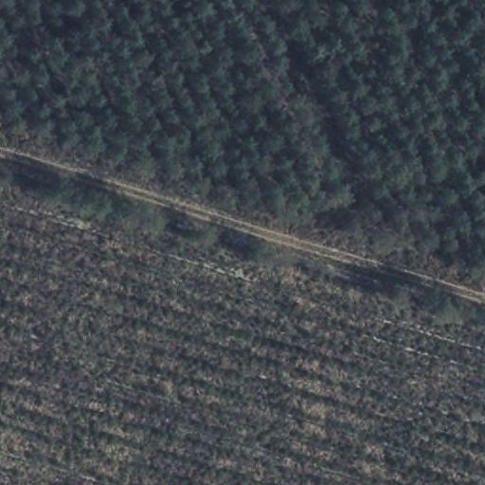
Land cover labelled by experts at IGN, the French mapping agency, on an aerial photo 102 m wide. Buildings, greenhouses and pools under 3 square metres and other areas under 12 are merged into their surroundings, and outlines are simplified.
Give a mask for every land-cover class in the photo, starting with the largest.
<instances>
[{"label":"clear cut","instance_id":"1","mask_svg":"<svg viewBox=\"0 0 485 485\"><path fill-rule=\"evenodd\" d=\"M59 176L57 169L47 167L34 159L0 155V485H485V305L458 297L457 301L447 299L445 303V311L455 307L457 313H460V320L457 322L438 324L434 320L436 314L428 313L422 307L421 309L413 301H409L407 309H392L394 296H385L381 292H369L360 286H352L343 278L333 277L328 271H322L320 267H309V271L305 273L297 269L280 267V273H269L267 269L258 267V261H267L273 256L271 248L275 244L246 233H239L227 227L222 220H195L189 218L186 212L176 210L174 205L165 207L167 231H163L161 235H146L144 231L129 233L123 229L121 222L110 220L91 203L83 205L55 193ZM212 225L218 231V242L210 248H203L197 237H205V233Z\"/></svg>","mask_w":485,"mask_h":485},{"label":"coniferous trees","instance_id":"2","mask_svg":"<svg viewBox=\"0 0 485 485\"><path fill-rule=\"evenodd\" d=\"M30 11L36 36L34 49L30 55L32 64L28 68L19 63L17 44L13 42L8 27H0V112L8 117L13 127L19 125L25 129L27 123L23 117V106L15 93L17 85L21 81L32 80L47 85L49 78L59 72V76L68 83V87L57 99L42 106L38 116L40 135L57 136L64 140V146L70 152H89L93 157L102 150L106 157L121 161L129 153L144 169H155L150 153L152 142L153 146L165 152V176L169 180H186L182 163L176 157V153L186 152L189 148V135L199 131L205 152L195 157L191 172L195 174L203 171V165L210 159L218 176L239 169L241 182L244 184L242 197L248 203L258 205L261 203L260 186L250 174V169L258 167L261 174L269 172V161L261 157L258 144L254 140H248V144H244L239 150H222L225 138L231 135V129L225 117L220 114L216 102L210 97L207 76H201L197 85L205 104L203 114L199 116L186 89L184 76L178 70L180 66L197 68L199 59L210 53V45H195L201 38V30L195 27L197 21H208L216 28L214 34L218 40H224L225 28L235 25L244 42V61L256 70L248 78H244L241 72L237 76L244 85L246 97L250 99L248 110L256 119V129H265V117L260 110L261 106L275 108L282 129L271 140V150L278 152L286 140H290L292 135H297L299 127L297 123H292V116L297 110H303L307 117V129L318 142V148L314 150L309 148V144H301L297 148V152L305 157V174L311 189L303 193L299 188L296 174L288 176L282 182H278L277 188L273 189L271 207L280 208L286 214H313L316 218V214L324 210L343 207L350 203L352 191L349 184L341 178V165L328 148V140L320 129V119L314 116L313 104L297 93L290 81L286 44L278 36L275 23L261 13L254 0H167L161 13L171 23L172 32L176 34L178 42L169 47L165 40L157 42L165 59V68L161 74H155L152 70V53H148L140 32V28L146 25V30L153 32L152 9L148 0H144L142 11L136 19L131 17L129 9L123 4L119 8L121 19L112 25L100 0H57L53 4V23L57 27L63 25V15H74L85 28L72 32V36L68 34L61 40H55L42 23V11L38 0H34L30 4ZM260 27L263 28L269 45L275 49L277 72L284 74L282 83L278 85H271L265 80L267 68L263 64L260 47L252 36V32ZM99 70L106 72L112 87L123 97V102L127 106L125 110L129 114L131 127L125 133L117 127L116 116L112 114L100 91L97 80ZM142 76L148 78L152 91L159 95L165 114L176 127L178 135L169 136L161 129L150 100L135 99V91L140 87ZM68 102L97 104L104 114V121L97 125L89 114H81L72 119L66 110ZM316 163H324L330 167V184L335 191L333 195H326L320 188ZM432 6L428 0H405L402 9L407 15V21L400 25L394 11L386 9L385 25H369V38L366 44L360 40L356 23L352 21L347 6L341 2L337 6V25L349 32L352 51L345 49L339 40H335V44L326 45L316 42L305 21H299L294 28L297 40L303 42L316 61L324 59V55L339 53L347 66L349 80L354 85L356 102L349 106L347 93L337 85L335 66H328L324 70V78L339 114L347 121V136L352 138L354 150L362 155L366 172L375 182V195L366 203V212L373 220L381 218L386 229H379L375 233L377 242H373V250L385 256L390 250L404 252L409 244L417 241L421 242L426 250L434 252L440 244L434 224L440 220L441 210L438 207L426 208L432 201L430 191L415 195L413 188L415 184H426L417 146L415 142L407 144L409 161H402L396 153L398 148L404 146L402 140L407 138V127L413 125L430 150L436 182H441L449 174L458 172V178L464 182L468 199L476 205L481 224L479 235H485V174L472 176L466 163L476 161L481 153L485 152V116L481 117L479 133L472 138L468 133V119H462L458 123V133L462 135L464 146L458 150L455 159H445V152L451 146V138L447 135L440 106L432 99L428 87H424L419 95L413 97L405 83L411 78L417 81L421 78L417 64L411 57L407 32L415 27H422L430 34L438 28L434 19L430 17ZM464 9H468L472 17L468 21V27L457 40L458 44L464 47V55L472 64V70L476 72L485 93V0H468L464 4ZM233 64V53L231 49H225L218 59V66L214 68V72L218 80V89L224 95L225 106L229 112H233L237 106L233 100V85L227 80L225 70ZM426 66L436 74V85L441 91L447 87L449 78L458 72V64L453 53L449 49H443L441 55H428L424 59ZM462 89H464V93H466V99H468V104H470V110H472V112H476V110H479V108H481V106L477 104L476 95H474V89H472V85L468 83V81H464V83H462ZM445 199L451 205L453 216L457 218L455 222L460 225L464 235H468V214L458 203L457 193L449 191ZM341 231L349 239H360L364 235V225L352 222ZM468 265H472L476 273L485 275V254L483 246L476 244L472 248V260L468 261Z\"/></svg>","mask_w":485,"mask_h":485},{"label":"brushwood","instance_id":"3","mask_svg":"<svg viewBox=\"0 0 485 485\"><path fill-rule=\"evenodd\" d=\"M34 0H0V27H8L13 42L17 44L19 63L28 68L32 64L30 55L34 49L36 36L30 11V4ZM42 11V23L55 40H61L68 34L72 36V32L85 28L74 15H63V25L57 27L53 23V4L57 0H38ZM112 25L121 19L119 8L123 4L129 9L131 17L136 19L142 11L144 0H100ZM152 9L153 32L146 30V25L140 28V32L148 53H152V70L155 74H161L165 68V59L157 42L165 40L169 47L178 42L176 34L172 32L171 23L161 13L167 0H148ZM261 13L275 23L278 36L286 44L290 81L297 93L313 104L314 116L320 119V129L328 140V148L341 165V178L349 184L352 191L350 203L343 207L324 210L316 214V218L313 214H286L280 208L271 207L273 189L277 188L278 182H282L288 176L296 174L299 188L303 193L311 189L305 174V157L297 152V148L301 144H309V148L314 150L318 148V142L307 129V117L303 110H297L292 116V123H297L299 127L297 135H292L290 140H286L278 152L271 150V140L282 129L275 108L261 106L260 110L265 117V129H256V119L248 110L250 99L246 97L244 85L237 76L241 72L244 78H248L256 70L244 61V42L235 25L225 28L224 40H218L214 34L216 28L208 21H197L195 27L201 30V38L195 45H210V53L199 59L197 68L180 66L178 70L184 76L186 89L199 116L203 114L205 104L197 85L201 76H207L210 97L216 102L220 114L225 117L231 129V135L225 138L222 150H239L244 144H248V140H254L258 144L261 157L269 161V172L261 174L258 167L250 169V174L260 186L261 203L258 205L248 203L242 197L244 184L241 182L239 169L218 176L210 159L203 165V171L195 174L191 172L195 157L205 152L199 131L189 135V148L186 152L176 153V157L182 163L186 180H169L165 176V152L153 146L152 142L150 153L155 169H144L129 153L121 161L106 157L102 150L93 157L89 152H70L64 146V140L57 136L40 135L38 116L42 106L57 99L68 87V83L59 76V72L49 78L47 85L32 80L21 81L17 85L15 93L23 106V117L27 123L25 129L19 125L13 127L8 117L0 112V148L9 146L28 150L30 146H36L38 152L47 148L51 157L63 163L81 167L83 161H89L91 165L83 174L102 178V182L110 176H116L119 180L131 182L140 188L176 195L180 199L216 208L220 212H227L231 216L254 224L265 225L269 229L292 233L301 239L322 242L354 254L366 252V256L375 258L381 265L392 263L404 273L421 278L424 286H432L434 282L436 277L447 278L449 282H460L464 286L485 292V275L476 273L472 265H468V261L472 260V248L476 244L483 246L485 254V235H479L481 224L476 205L468 199L464 182L458 178V172L449 174L441 182H436L430 150L413 125L407 127V138L402 140L404 146L398 148L396 153L402 161H409L407 144L415 142L417 146L426 184H415L413 188L415 195L430 191L432 201L426 208L438 207L441 210L440 220L434 224L440 244L434 252L426 250L421 242L417 241L409 244L404 252L390 250L385 256L373 250V242H377L375 233L379 229H386L381 218L373 220L366 212V203L375 195V182L366 172L362 155L354 150L352 138L347 136V121L339 114L324 78V70L328 66H335L337 85L347 93L349 106L356 102L354 85L349 80L347 66L339 53L324 55V59L316 61L303 42L297 40L294 28L299 21H305L316 42L326 45L335 44V40H339L345 49L352 51L349 32L337 25V6L341 2L347 6L352 21L356 23L360 40L366 44L369 38V25H385L386 9L394 11L400 25L407 21V15L402 9L405 0H254ZM225 49H231L233 53V64L225 70L227 80L233 85V100L237 106L233 112H229L225 106L224 95L218 89V80L214 72V68L218 66V59ZM449 191L457 193L458 203L468 214V235H464L460 225L455 222L457 218L453 216L451 205L445 199ZM352 222L364 225V235L360 239H349L341 231ZM432 6L430 17L434 19L438 28L430 34L422 27H415L407 32L411 57L417 64L421 78L417 81L411 78L405 83L413 97L419 95L424 87H428L432 99L440 106L447 135L451 138V146L445 152V159H455L458 150L464 146L462 135L458 133V123L462 119H468V133L472 138L479 133L481 117L485 116V93L476 72L472 70V64L464 55V47L458 44L457 40L468 27V21L472 17L468 9H464V4L468 0H428ZM443 49H449L453 53L458 64V72L449 78L447 87L441 91L436 85V74L426 66L424 59L428 55H441ZM464 81H468V83L472 85V89H474V95H476L477 104L481 106V108H479V110H476V112H472V110H470V104H468V99H466V93H464V89H462V83H464ZM252 36L260 47L263 64L267 68L265 80L271 85H278L282 83L284 74L277 72L275 49L269 45L263 28L260 27L252 32ZM97 80L100 91L112 114L116 116L117 127L125 133L131 127L129 114L125 110L127 106L123 102V97L112 87L106 72L99 70ZM135 99L150 100L161 129L169 136L178 135L176 127L165 114L159 95L152 91L148 78L142 76L140 87L135 91ZM66 110L72 119L81 114H89L97 125L104 121V114L97 104L68 102ZM472 176L485 174V152L481 153L476 161L466 163ZM320 188L326 195H333L335 191L330 184V167L324 163H316Z\"/></svg>","mask_w":485,"mask_h":485},{"label":"pervious surface","instance_id":"4","mask_svg":"<svg viewBox=\"0 0 485 485\"><path fill-rule=\"evenodd\" d=\"M0 155L34 159L47 167L57 169L59 176H70L74 172L72 182L80 188L81 195H102L106 188L116 189L117 193L129 199L144 201L155 207H165L174 205L176 210L186 212L189 218L195 220H222L227 227L239 233H246L275 244L299 250L314 254L318 258H332L360 267L381 265L375 258L366 256V252L354 254L322 242L301 239L292 233L269 229L265 225L254 224L231 216L227 212H220L216 208L180 199L176 195L140 188L131 182L119 180L116 176H110L102 182V178L83 174L91 165L89 161H83L81 167L63 163L51 157L47 148L38 152L36 146H30L28 150L9 146L0 148ZM434 282L451 288L458 297L485 305V292L464 286L460 282H449L447 278L436 277Z\"/></svg>","mask_w":485,"mask_h":485},{"label":"deciduous trees","instance_id":"5","mask_svg":"<svg viewBox=\"0 0 485 485\"><path fill-rule=\"evenodd\" d=\"M74 172L70 176H59L55 193L83 205L91 203L110 220L121 222L123 229L129 233L144 231L146 235H161L163 231H167L165 207H155L144 201L129 199L117 193L116 189L106 188L102 195H81L80 188L72 182ZM203 248H210L218 242V231L212 225L205 233V237H197ZM273 256L267 261H258V267L267 269L269 273H280V267L297 269L299 250L275 244L271 248ZM428 294L424 296L422 307L428 313L436 314L434 320L438 324L457 322L460 320V313H457L455 307L445 311V303L447 299L457 301L458 297L451 288L434 282L432 286H428ZM409 301L405 286H398L394 296L392 309H407Z\"/></svg>","mask_w":485,"mask_h":485},{"label":"herbaceous vegetation","instance_id":"6","mask_svg":"<svg viewBox=\"0 0 485 485\"><path fill-rule=\"evenodd\" d=\"M297 269L305 273L309 271V267H320L322 271H328L333 277L343 278L352 286H360L369 292H381L385 296H394L398 286H405L409 301H413L421 309L422 307L424 296L428 294V286H424L421 278L404 273L392 263L381 265L360 267L332 258H318L314 254L299 250Z\"/></svg>","mask_w":485,"mask_h":485}]
</instances>
